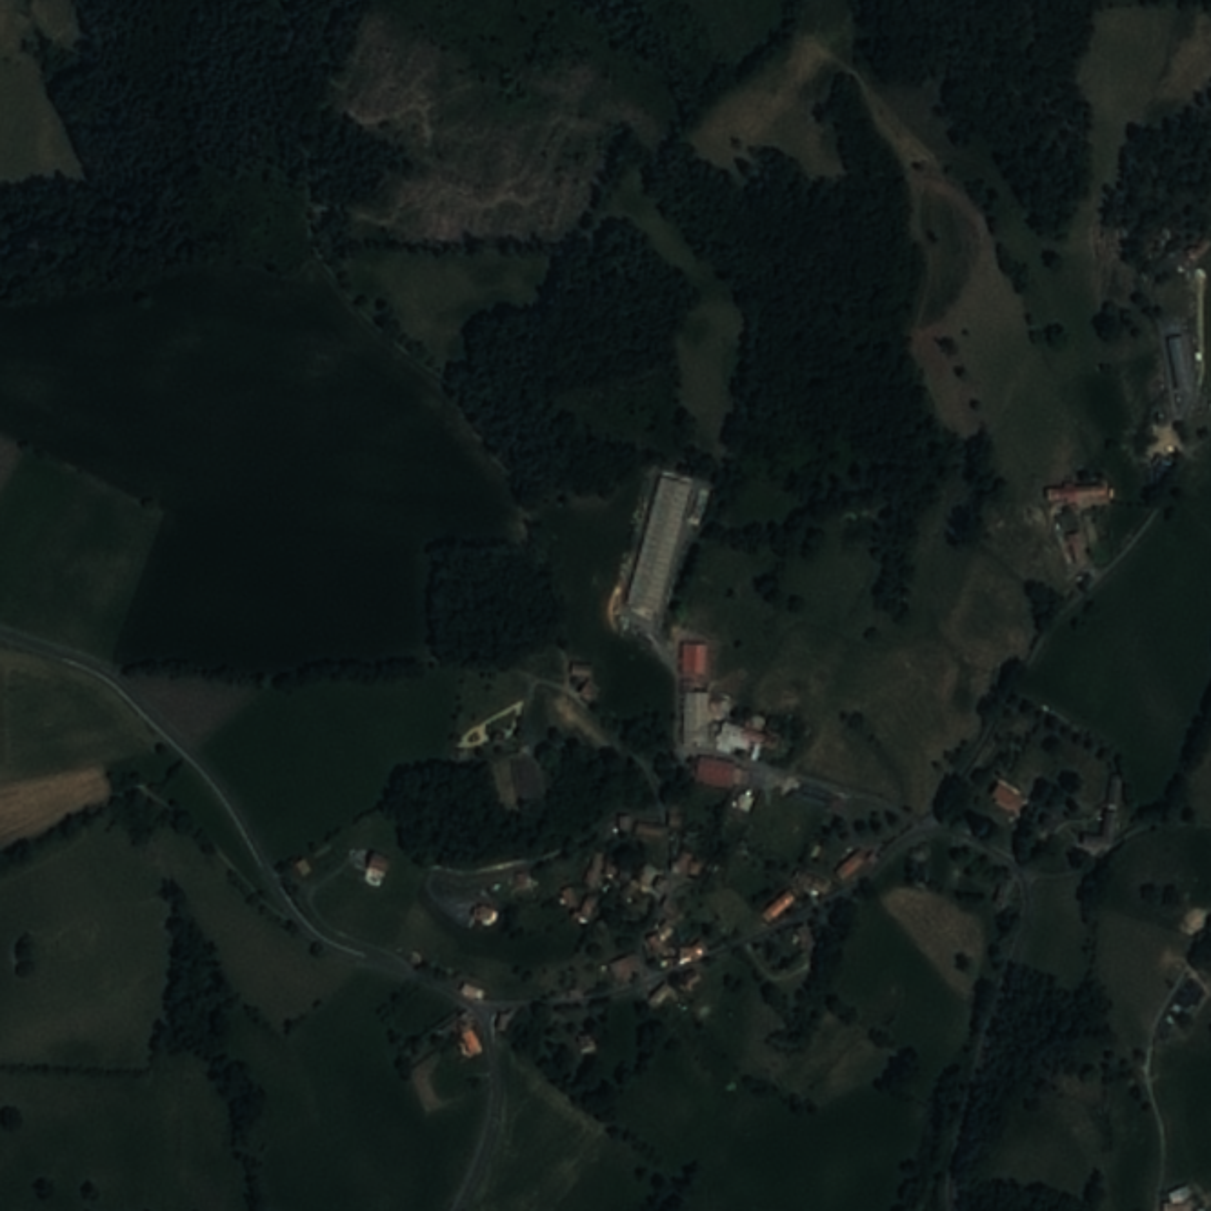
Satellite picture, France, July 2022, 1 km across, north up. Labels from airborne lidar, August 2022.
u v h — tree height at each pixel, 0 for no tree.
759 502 0
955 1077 11
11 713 0
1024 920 10
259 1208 17
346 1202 0
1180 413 0
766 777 0
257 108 16
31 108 0
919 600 0
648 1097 0
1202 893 0
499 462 12
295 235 0
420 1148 0
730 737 0
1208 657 0
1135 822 7
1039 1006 6
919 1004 0
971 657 0
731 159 0
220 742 0
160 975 0
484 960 0
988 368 0
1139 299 11
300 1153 0
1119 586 0
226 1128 0
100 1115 0
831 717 0
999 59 18
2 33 0
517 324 25
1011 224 0
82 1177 0
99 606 0
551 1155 0
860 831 15
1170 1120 0
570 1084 12
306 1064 0
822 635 0
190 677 11
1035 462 0
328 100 19
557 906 9
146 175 27
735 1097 0
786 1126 0
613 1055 0
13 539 0
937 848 0
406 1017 0
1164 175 12
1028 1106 9
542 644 16
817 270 15
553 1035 13
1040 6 12
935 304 0
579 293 26
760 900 7
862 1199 0
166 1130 0
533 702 0
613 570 0
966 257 0
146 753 0
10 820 0
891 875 0
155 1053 13
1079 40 15
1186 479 0
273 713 0
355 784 0
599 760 17
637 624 0
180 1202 0
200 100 13
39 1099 0
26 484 0
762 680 0
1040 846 10
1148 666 0
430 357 14
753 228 19
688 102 16
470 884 0
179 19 7
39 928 0
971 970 20
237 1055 0
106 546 0
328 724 0
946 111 16
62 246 36
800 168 11
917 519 12
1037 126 18
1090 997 11
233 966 0
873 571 0
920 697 0
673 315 21
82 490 0
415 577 0
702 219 19
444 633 21
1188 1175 0
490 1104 0
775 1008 17
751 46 0
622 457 22
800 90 0
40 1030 0
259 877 0
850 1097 0
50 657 0
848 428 15
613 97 0
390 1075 0
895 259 15
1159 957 0
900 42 20
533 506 21
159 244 28
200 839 14
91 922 0
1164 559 0
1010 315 0
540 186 0
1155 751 0
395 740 0
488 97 0
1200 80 0
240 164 18
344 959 0
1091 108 12
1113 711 0
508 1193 0
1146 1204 0
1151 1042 0
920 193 0
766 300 25
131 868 0
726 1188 0
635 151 19
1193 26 0
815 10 0
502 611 23
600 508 0
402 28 0
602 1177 0
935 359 0
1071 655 0
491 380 21
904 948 0
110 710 0
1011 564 0
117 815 6
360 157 20
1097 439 0
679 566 0
